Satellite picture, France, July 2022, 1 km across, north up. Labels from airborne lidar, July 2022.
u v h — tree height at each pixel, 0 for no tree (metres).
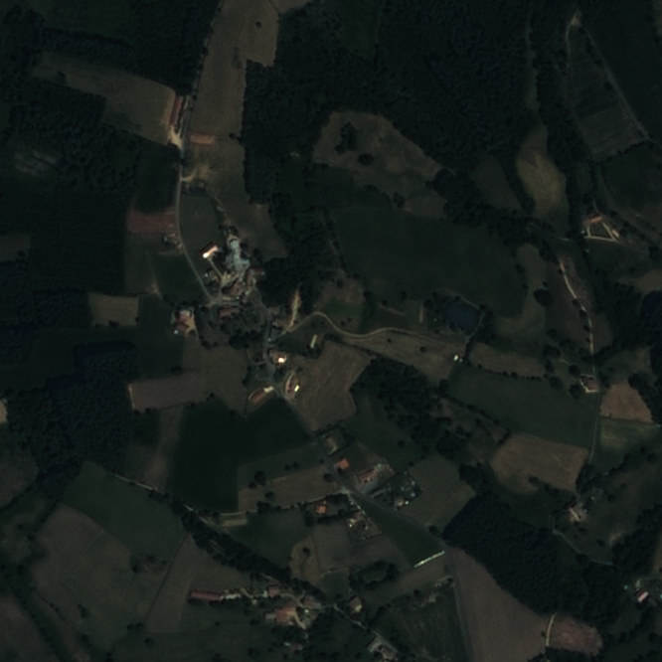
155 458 0
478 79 19
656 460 14
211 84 0
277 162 28
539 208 0
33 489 9
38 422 18
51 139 15
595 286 8
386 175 0
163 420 0
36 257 8
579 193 16
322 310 0
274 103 21
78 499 0
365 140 0
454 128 5
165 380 0
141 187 0
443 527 0
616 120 0
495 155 13
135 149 16
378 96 11
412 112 25
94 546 0
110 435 34
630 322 13
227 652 0
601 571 16
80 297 26
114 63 27
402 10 12
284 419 0
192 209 0
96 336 0
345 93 13
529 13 13
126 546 0
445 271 0
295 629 7
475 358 0
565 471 0
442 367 0
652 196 0
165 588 0
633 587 0
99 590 0
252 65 14
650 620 18
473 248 0
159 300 0
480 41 38
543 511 0
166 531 0
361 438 0
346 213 0
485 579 0
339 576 0
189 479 0
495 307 0
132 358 35
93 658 0
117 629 0
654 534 16
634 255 0
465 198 20
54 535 0
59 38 27
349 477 0
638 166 0
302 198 0
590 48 21
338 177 0
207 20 18
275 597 8
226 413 0
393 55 6
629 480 0
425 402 17
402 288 0
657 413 19
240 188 0
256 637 0
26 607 6
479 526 27
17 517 0
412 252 0
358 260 0
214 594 0
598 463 0
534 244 18
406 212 0
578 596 16
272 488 0
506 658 0
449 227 0
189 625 0
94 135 15
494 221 20
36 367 0
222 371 0
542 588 24
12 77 9
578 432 0
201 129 0
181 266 0
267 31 0
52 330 20
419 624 0
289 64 12
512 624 0
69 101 8
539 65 20
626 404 0
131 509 0
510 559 25
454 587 0
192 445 0
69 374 0
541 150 0
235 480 0
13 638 0
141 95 0
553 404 0
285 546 0
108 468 34
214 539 12
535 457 0
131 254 0
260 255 10
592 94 0
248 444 0
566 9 15
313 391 0
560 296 0
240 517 0
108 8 0
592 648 0
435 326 0
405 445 13
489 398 0
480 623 0
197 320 10
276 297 12
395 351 0
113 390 33
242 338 16
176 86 7
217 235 0
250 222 0
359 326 0
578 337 0
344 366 0
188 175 0
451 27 38
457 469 0
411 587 0
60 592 0
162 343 0
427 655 0
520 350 0
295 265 10
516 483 0
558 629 0
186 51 18
